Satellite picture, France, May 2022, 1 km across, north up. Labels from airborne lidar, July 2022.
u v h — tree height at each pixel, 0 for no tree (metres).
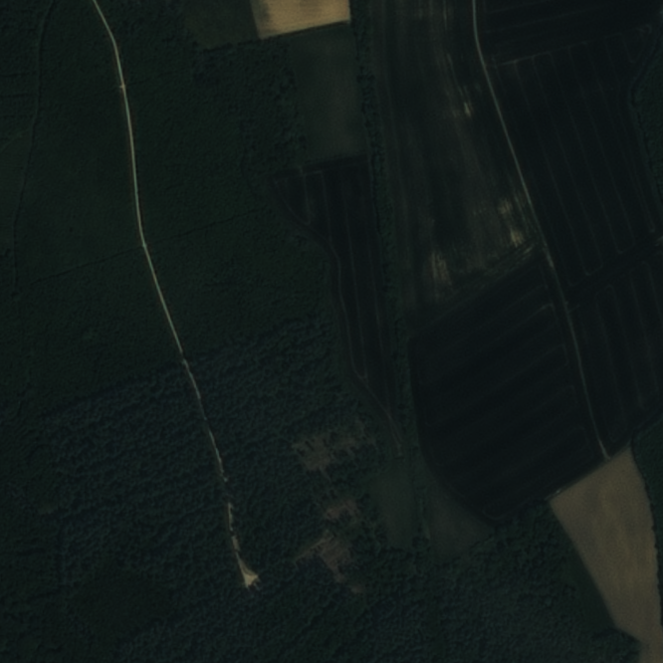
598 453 0
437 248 0
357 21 13
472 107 0
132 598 11
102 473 25
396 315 7
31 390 14
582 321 0
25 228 11
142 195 10
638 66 0
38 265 10
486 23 0
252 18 0
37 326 11
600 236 0
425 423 0
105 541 26
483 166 0
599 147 0
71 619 16
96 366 16
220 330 13
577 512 0
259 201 13
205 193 11
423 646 27
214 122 10
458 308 0
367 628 19
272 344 14
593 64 0
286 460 31
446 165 0
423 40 0
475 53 0
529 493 0
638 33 0
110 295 11
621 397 0
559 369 0
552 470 0
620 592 0
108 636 10
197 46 15
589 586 0
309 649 20
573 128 0
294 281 13
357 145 0
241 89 15
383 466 21
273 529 29
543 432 0
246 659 24
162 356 13
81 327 11
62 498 27
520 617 27
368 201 0
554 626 23
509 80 0
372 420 17
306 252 12
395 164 0
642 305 0
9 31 18
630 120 0
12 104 19
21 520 23
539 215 0
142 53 12
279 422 23
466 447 0
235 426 32
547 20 0
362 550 22
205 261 11
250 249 10
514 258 0
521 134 0
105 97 10
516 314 0
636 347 0
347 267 0
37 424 23
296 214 0
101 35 10
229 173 8
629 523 0
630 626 0
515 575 7
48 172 9
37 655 30
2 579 21
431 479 0
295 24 0
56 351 13
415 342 0
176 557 11
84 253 10
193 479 30
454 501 0
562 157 0
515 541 16
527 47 0
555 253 0
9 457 19
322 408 8
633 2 0
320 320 22
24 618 31
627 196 0
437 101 0
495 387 0
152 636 25
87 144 9
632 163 0
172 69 10
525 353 0
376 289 0
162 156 12
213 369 29
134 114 8
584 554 0
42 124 9
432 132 0
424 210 0
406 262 0
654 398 0
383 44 0
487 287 0
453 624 29
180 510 28
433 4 0
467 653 22
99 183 11
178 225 11
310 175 0
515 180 0
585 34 0
